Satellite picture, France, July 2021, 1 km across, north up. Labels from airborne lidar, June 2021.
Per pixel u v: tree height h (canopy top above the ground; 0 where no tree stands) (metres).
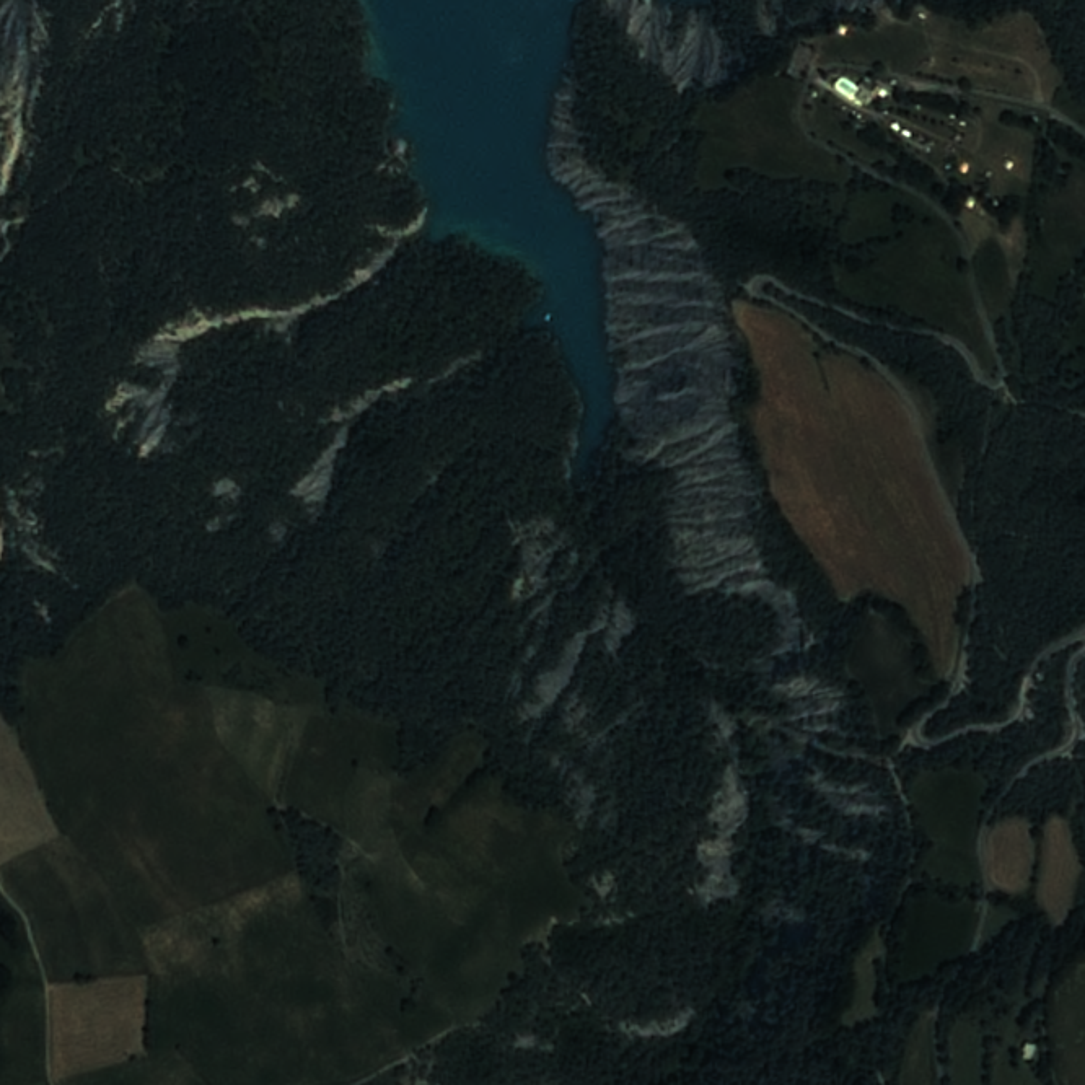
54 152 7
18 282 8
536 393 14
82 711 0
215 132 11
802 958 19
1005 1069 0
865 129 5
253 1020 0
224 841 0
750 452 12
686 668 14
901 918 14
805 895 8
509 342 13
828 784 7
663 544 8
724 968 12
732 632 12
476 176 0
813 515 0
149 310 10
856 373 0
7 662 6
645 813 9
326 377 6
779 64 12
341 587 6
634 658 12
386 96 8
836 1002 19
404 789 0
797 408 0
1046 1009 8
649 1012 9
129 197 9
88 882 0
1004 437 5
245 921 0
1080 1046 0
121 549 6
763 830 8
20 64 0
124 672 0
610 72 9
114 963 0
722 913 15
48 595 7
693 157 7
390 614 8
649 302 0
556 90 0
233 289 7
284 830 10
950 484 0
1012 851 0
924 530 0
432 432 7
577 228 0
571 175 0
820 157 0
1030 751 7
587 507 21
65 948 0
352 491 9
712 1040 12
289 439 8
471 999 0
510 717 6
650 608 22
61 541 6
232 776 0
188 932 0
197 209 8
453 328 6
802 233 12
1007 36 0
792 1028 12
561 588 7
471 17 0
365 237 7
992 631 6
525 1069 7
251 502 10
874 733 7
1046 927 8
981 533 6
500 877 0
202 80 14
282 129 8
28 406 6
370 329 9
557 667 6
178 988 0
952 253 0
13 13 0
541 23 0
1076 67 11
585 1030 9
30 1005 0
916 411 0
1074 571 8
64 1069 0
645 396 0
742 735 15
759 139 0
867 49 0
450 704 9
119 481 8
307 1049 0
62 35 6
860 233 0
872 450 0
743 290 8
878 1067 9
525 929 0
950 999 14
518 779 11
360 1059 0
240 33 11
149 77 7
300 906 0
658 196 6
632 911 6
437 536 10
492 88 0
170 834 0
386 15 0
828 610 6
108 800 0
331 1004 0
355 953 0
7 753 0
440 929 0
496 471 12
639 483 12
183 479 7
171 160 10
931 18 0
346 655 10
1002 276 0
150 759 0
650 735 11
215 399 10
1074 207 0
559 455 13
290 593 7
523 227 0
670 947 15
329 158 7
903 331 9
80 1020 0
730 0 9
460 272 12
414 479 7
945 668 0
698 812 11
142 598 0
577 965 10
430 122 0
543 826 0
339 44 9
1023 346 9
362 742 0
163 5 7
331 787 0
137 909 0
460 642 7
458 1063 7
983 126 0
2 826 0
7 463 6
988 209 8
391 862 0
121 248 10
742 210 11
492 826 0
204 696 0
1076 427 9
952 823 0
